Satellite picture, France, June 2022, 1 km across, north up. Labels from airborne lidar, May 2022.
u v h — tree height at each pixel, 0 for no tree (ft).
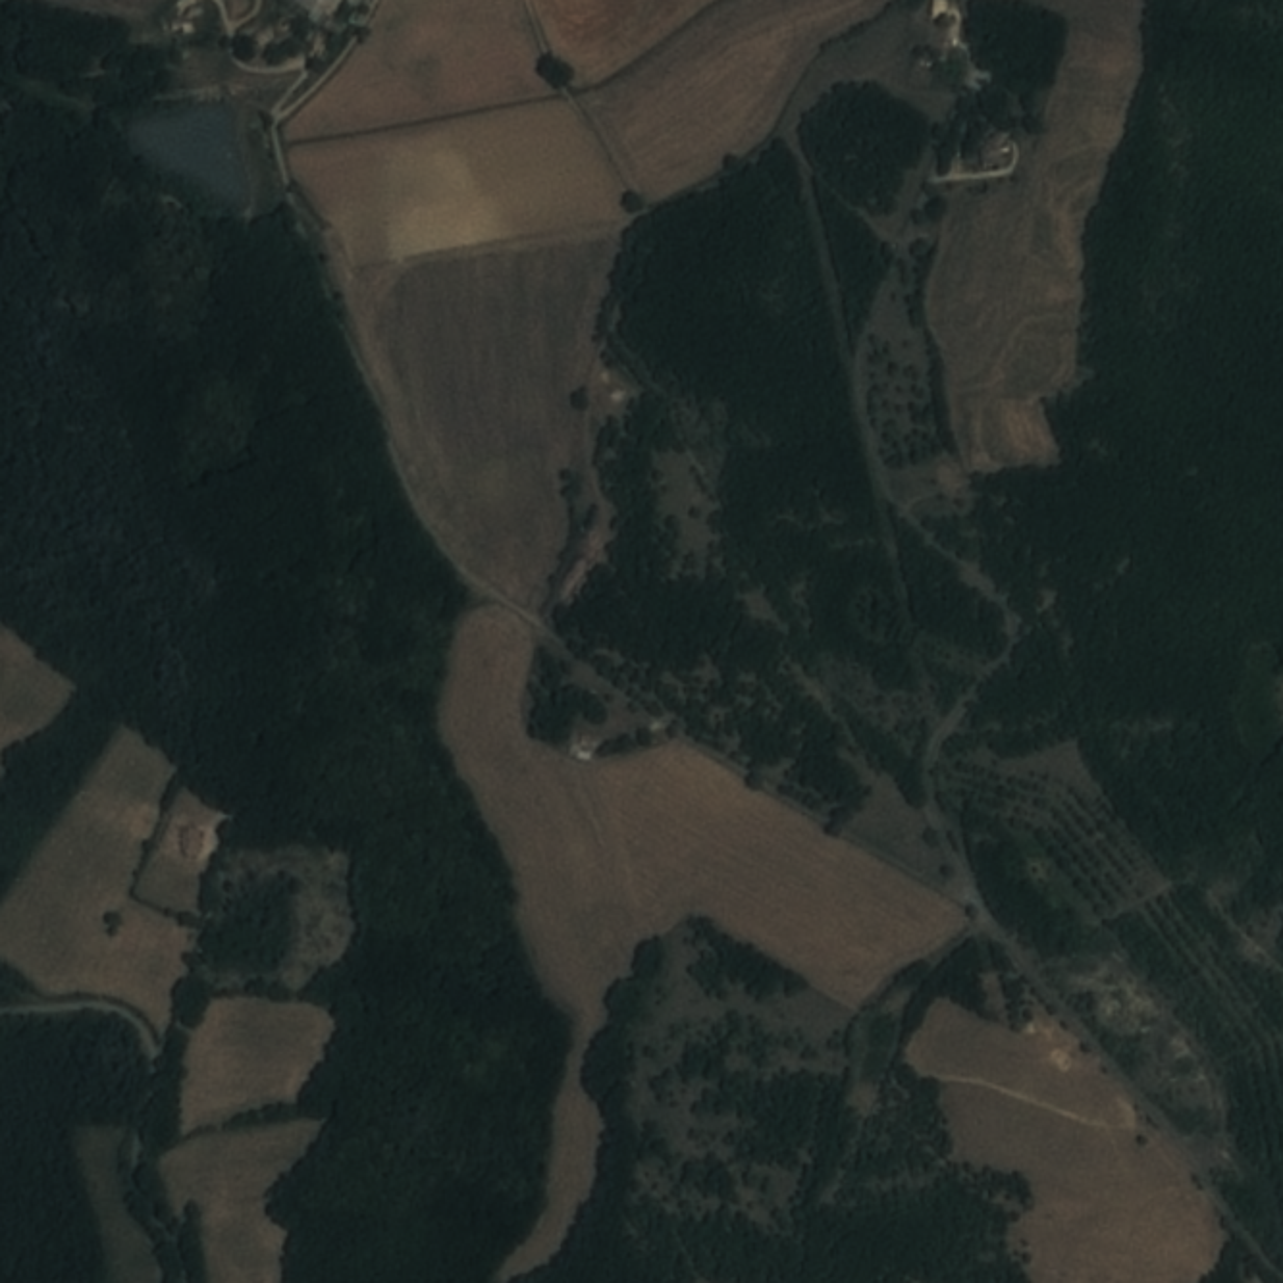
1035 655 31
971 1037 0
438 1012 72
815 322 24
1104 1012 0
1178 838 29
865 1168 35
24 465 53
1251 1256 23
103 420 34
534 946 0
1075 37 0
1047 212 0
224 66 0
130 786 0
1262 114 29
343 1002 64
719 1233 32
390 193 0
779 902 0
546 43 0
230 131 0
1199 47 48
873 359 28
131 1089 47
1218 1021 21
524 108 0
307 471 84
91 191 76
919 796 39
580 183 0
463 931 47
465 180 0
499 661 0
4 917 0
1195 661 34
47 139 93
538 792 0
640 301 37
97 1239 43
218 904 44
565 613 35
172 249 62
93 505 26
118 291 61
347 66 0
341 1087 70
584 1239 71
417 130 0
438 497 0
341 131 0
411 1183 61
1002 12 39
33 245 43
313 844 54
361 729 56
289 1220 68
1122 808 35
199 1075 0
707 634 37
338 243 0
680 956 0
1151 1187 0
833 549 24
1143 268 35
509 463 0
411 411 0
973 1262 19
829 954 0
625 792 0
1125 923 28
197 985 45
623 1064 37
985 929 0
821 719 23
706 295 30
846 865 0
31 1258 34
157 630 58
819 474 37
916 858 0
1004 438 0
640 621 22
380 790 66
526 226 0
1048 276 0
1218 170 27
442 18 0
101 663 24
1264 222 41
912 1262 26
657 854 0
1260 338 56
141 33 0
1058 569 32
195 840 0
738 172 25
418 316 0
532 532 0
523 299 0
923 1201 27
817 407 30
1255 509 35
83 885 0
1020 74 42
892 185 26
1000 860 49
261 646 70
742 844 0
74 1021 25
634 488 35
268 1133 0
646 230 38
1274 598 43
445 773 58
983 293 0
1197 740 41
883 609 37
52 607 29
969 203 0
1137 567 26
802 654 22
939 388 23
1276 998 27
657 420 33
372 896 68
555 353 0
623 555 24
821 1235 30
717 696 30
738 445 28
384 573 60
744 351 42
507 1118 41
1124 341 34
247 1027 0
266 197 0
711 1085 30
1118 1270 0
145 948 0
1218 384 39
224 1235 0
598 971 0
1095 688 37
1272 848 25
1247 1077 34
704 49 0
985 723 34
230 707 49
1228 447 39
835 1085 34
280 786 73
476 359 0
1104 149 0
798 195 29
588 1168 0
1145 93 40
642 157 0
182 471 37
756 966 36
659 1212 33
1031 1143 0
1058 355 0
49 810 20
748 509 25
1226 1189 21
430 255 0
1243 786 44
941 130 36
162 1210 56
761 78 0
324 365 43
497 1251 68
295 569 73
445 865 72
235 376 58
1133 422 25
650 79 0
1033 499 40
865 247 31
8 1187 39
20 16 62
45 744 25
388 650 58
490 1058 63
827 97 31
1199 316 41
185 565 66
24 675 0
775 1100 30
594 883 0
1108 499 38
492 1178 70
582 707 37
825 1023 0
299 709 51
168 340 57
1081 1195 0
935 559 22
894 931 0
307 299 31
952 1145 19
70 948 0
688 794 0
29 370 44
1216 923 28
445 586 43
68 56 67
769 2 0
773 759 31
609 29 0
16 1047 26
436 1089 42
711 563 21
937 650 21
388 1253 62
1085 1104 0
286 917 21
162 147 0
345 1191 65
